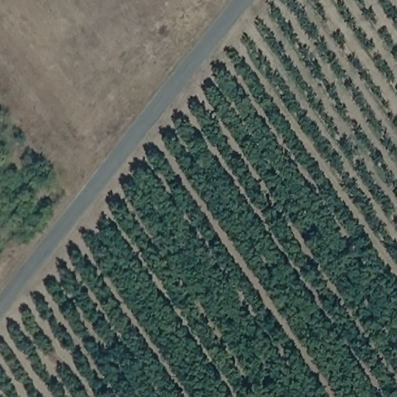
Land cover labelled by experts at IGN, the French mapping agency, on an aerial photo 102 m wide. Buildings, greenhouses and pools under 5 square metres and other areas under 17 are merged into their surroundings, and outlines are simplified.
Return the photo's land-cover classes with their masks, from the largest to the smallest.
<instances>
[{"label":"deciduous trees","instance_id":"1","mask_svg":"<svg viewBox=\"0 0 397 397\"><path fill-rule=\"evenodd\" d=\"M285 5L295 14L307 36L313 39L319 54L329 62L337 78L344 73L338 64L337 56L327 48L326 40L318 33L315 23L310 22L306 11L296 0H285ZM338 14L352 29L355 39L364 50L374 47V42L366 37L360 26H357L343 0H338ZM386 16L397 28V0H378ZM271 19L278 23L284 36L288 37L290 43L298 45L299 59L309 68L310 74L313 78L323 81L327 95L335 102V110L340 118L352 127L357 140L363 141L372 161L381 163V171H378V174L385 183L394 188L397 197V178L389 171L380 150L375 149L368 136L361 132L357 119L347 115L346 105L341 102L335 85L327 81L318 62L307 50V45L296 37L292 23L282 17L278 6L270 9ZM256 28L262 39L281 60L285 70L295 81L296 87L301 91H307V102L310 107L323 118L330 135H335L338 127L324 110L323 102L315 98L312 87L302 79L292 59L285 54L284 45L276 40L273 31L265 23H261ZM242 43L247 47L254 64L257 68L267 65L265 78L273 87H278L282 91V102L290 112L295 113L302 132L313 141L319 154L329 161L333 171H341L343 163L337 152L330 149L329 141L319 133L318 126L307 116L306 110L301 109L281 74L271 70L267 57L245 33L242 34ZM234 68L240 71L243 79L247 81L254 99L262 105V109L270 116L271 123L282 133L285 143L295 150L296 157L292 160L287 150L279 146L278 140L265 124V119L257 115L256 109L250 104V99L245 95L237 79L231 76L230 71H220L216 81L212 82V87L203 91L211 102L212 110L195 109L192 112L202 127L195 129L189 123V119H175L172 127L175 136L166 138L164 144L171 150L181 171L185 172L192 188L203 198L212 216L219 220L226 236L233 240L234 247L243 257V261L247 262L248 268L267 290L276 309L287 319L290 329L306 346L318 369L316 372L310 371L301 352L285 335L282 326L279 329L274 327L278 321L264 306L261 295L253 287L250 279L243 274L234 257L228 253L205 214L186 191L180 177L172 171L166 157L152 155L154 167L147 166L146 171H138L135 180L130 181L129 185L121 186L135 209L130 212L127 205L119 208L113 203L110 211L113 212L112 222L116 223V228L99 230L93 237H84L85 243L95 256V264L91 265L88 257L78 248L70 254L74 270H68V267L59 270L60 281H54L53 285L47 287L62 315L70 321L74 332L84 341L85 349L95 358L96 366L101 369L104 378H99L98 374L90 369L87 358L82 355L78 344L73 343L67 329L57 323L47 301L42 304L36 302L40 316L47 319L62 347L70 350L74 364L90 381L96 397H183L180 386L167 375L166 369L158 361L157 354L149 349L141 337L140 330L132 326L126 313L119 307L118 299L105 285V278L112 279L127 307L132 310L138 323L143 324L144 330L157 344L163 357L169 361L172 371L183 381L191 397H397V276L392 273L389 265L381 261L377 250L372 247L368 234L364 233L363 226L349 211L346 203L338 197L329 178L319 169L315 158L299 141L290 123L279 112L278 105L274 104L273 98L267 95L256 73L251 71L245 59L237 53L231 59ZM222 119L223 124L233 133L234 140L242 147L243 154H247L253 161L259 178L251 177L247 164L243 163L242 157L231 149L226 136L220 132L217 123ZM203 135L208 136L209 141L225 157L226 163L236 172L240 183L247 191L245 194H240L233 178L220 166L216 155L209 152ZM290 220L301 231L307 247L312 251L310 256L302 253L301 245L288 228L287 222ZM78 307L84 310L96 332L107 341V346H102L88 335L87 327L79 319L76 310ZM349 64L366 82L380 109L388 107L389 102L381 95L380 87L375 85L371 74L364 70L360 60L355 56ZM378 140L389 150L392 160L397 163V147L392 143L385 127L375 118L360 90L354 84L347 87ZM19 119L9 113L8 107L0 104V254L6 247L16 243H28L37 233L45 230L47 220L53 216L54 205L51 203L50 195L56 194L59 186V181L54 177V166L42 154H37L26 146L23 130L17 127ZM355 171L360 174L361 180L368 186L375 200L380 203L383 212L389 214L394 209L391 200L381 191L380 186L375 185L364 161L357 160ZM341 186L360 208L372 231L380 234L386 251L397 262V240L389 236L385 223L375 216L371 203L364 197L354 178H350L347 172L341 177ZM23 324L34 337H25L20 327H9L8 332L23 354L28 355L34 372L53 392V397H88L81 380L71 372V369L59 372L62 381L59 383L53 375L48 374L45 364H42L37 355V350L42 349L45 354H51L54 350L53 344L34 321L33 313L28 309V312H22ZM0 354L8 361L9 368L17 380L22 381L29 397H43L34 388L33 380L26 374L19 358L12 354L11 347L6 341L0 343ZM0 397H19L16 388L0 366Z\"/></svg>","mask_w":397,"mask_h":397},{"label":"herbaceous vegetation","instance_id":"2","mask_svg":"<svg viewBox=\"0 0 397 397\"><path fill-rule=\"evenodd\" d=\"M285 0H253L228 34L203 59L202 65L192 74L188 84L181 88L177 98L167 105L163 115L138 141L135 149L127 155L124 163L116 169L109 183L76 220L64 239L60 240L53 253L47 257V261L43 262L33 278L29 279L8 312L3 313L0 318V343L6 341L11 347L12 354L19 358L26 374L33 380L34 388L43 397H53V392L34 372L28 355L23 354L8 332L9 327H20L25 337H34L23 324L22 312H28V309L33 313L34 321L53 344L54 350L51 354H45L42 349L37 350V355L42 364H45L48 374L53 375L59 383L62 381L59 372L71 369V372L81 380L88 397H96L90 381L74 364L70 350L62 347L47 319L40 316L36 302L42 304L47 301L57 323L67 329L73 343L78 344L82 355L87 358L90 369L98 374L99 378H104L101 369L96 366L95 358L85 349L84 341L74 332L70 321L62 315L47 287L53 285L54 281H60L59 270L68 267V270H74L70 254L78 248L88 257L91 265L95 264V256L85 243L84 237H93L99 230L116 228V223L112 222L113 212L110 211L113 203L119 208L127 205L130 212L135 209L121 186L129 185L130 181L135 180L138 171H146L147 166L154 167L152 155L166 157L172 171L180 177L186 191L205 214L228 253L234 257L243 274L250 279L253 287L261 295L264 306L278 321L274 327L279 329L282 326L285 335L301 352L310 371L316 372L318 369L306 346L290 329L287 319L276 309L267 290L248 268L247 262L243 261V257L234 247L233 240L226 236L219 220L212 216L203 198L192 188L185 172L181 171L171 150L164 144L166 138L175 136L172 127L175 119H189V123L195 129L202 127L192 112L195 109L212 110L211 102L203 91L212 87V82L216 81L220 71H230L231 76L237 79L245 95L250 99V104L256 109L257 115L265 119V124L278 140L279 146L287 150L292 160L296 157L295 150L285 143L282 133L271 123L270 116L262 109V105L254 99L247 81L243 79L240 71L234 68L231 59L237 53L245 59L251 71L256 73L267 95L273 98L274 104L278 105L279 112L290 123L299 141L315 158L319 169L329 178L338 197L346 203L349 211L363 226L364 233L368 234L372 247L377 250L381 261L389 265L392 273L397 276V262L386 251L380 234L372 231L360 208L341 186V177L347 172L350 178H354L364 197L371 203L375 216L385 223L389 236L397 240V197L394 188L385 183L378 174V171H381V163L372 161L363 141L357 140L352 127L340 118L335 110V102L327 95L323 81L313 78L310 74L309 68L299 59L298 45L290 43L288 37L284 36L278 23L271 19L270 9L278 6L282 17L292 23L296 37L307 45V50L318 62L327 81L335 85L341 102L346 105L347 115L357 119L361 132L368 136L375 149L380 150L389 171L397 178V163L392 160L389 150L378 140L347 87L354 84L360 90L375 118L385 127L392 143L397 147V28L386 16L378 0H343L357 26H360L366 37L374 42V47L364 50L355 39L352 29L338 14V0H296L306 11L310 22L315 23L318 33L326 40L327 48L337 56L338 64L344 73L337 78L329 62L319 54L313 39L307 36L295 14L285 5ZM261 23H265L273 31L276 40L284 45L285 54L292 59L302 79L312 87L315 98L323 102L324 110L338 127L335 135H330L323 118L310 107L307 102V91H301L296 87L295 81L285 70L281 60L262 39L256 28ZM245 33L267 57L271 70L281 74L301 109L306 110L307 116L318 126L319 133L329 141L330 149L337 152L343 163L341 171H333L329 161L319 154L313 141L302 132L295 113L290 112L282 102V91L278 87H273L265 78L267 65L257 68L254 64L247 47L242 43V34ZM355 56L360 60L364 70L371 74L375 85L380 87L381 95L389 102L388 107L380 109L366 82L349 64ZM357 160L364 161L375 185L380 186L381 191L391 200L394 209L389 214L383 212L380 203L375 200L368 186L361 180L360 174L355 171ZM220 132L226 136L231 149L242 157L243 163L247 164L251 177L259 178L253 161L247 154H243L242 147L234 140L233 133L223 124L222 119L217 123ZM209 152L216 155L220 166L233 178L240 194H245L247 191L240 183L236 172L226 163L225 157L209 141L208 136L203 135ZM54 177L59 181V186L56 194L50 195L51 203L54 205L53 216L47 220L45 230L37 233L28 243H16L6 247L0 254V293L19 273L40 240L53 230L57 220L64 216V212L73 205L74 200L67 183L71 178L70 172L65 171L64 167L54 166ZM288 228L301 245L302 253L310 256L312 251L307 247L301 231L290 220L287 222ZM105 285L118 299L119 307L126 313L132 326L140 330L141 337L149 349L157 354L158 361L166 369L167 375L180 386L183 397H191L183 381L172 371L169 361L163 357L157 344L144 330L143 324L138 323L132 310L127 307L112 279L105 278ZM76 310L79 319L87 327L88 335L102 346H107V341L96 332L84 310L78 307ZM0 366L16 388L19 397H29L22 381L17 380L9 368L8 361L0 354Z\"/></svg>","mask_w":397,"mask_h":397},{"label":"agricultural land","instance_id":"3","mask_svg":"<svg viewBox=\"0 0 397 397\"><path fill-rule=\"evenodd\" d=\"M233 0H0V104L8 107L9 113L19 119L17 127L23 130L26 146L37 154H42L54 166L64 167L65 171L70 172L71 178L67 183L74 200L82 194L91 178L98 174L102 164L123 141L130 127L160 95L166 82L174 76L175 71L195 50L198 43L202 42L211 26L223 16V12Z\"/></svg>","mask_w":397,"mask_h":397},{"label":"impervious surface","instance_id":"4","mask_svg":"<svg viewBox=\"0 0 397 397\"><path fill-rule=\"evenodd\" d=\"M253 0H233L223 12V16L211 26L202 42L198 43L195 50L175 71L174 76L166 82L160 95L130 127L123 141L102 164L98 174L91 178L82 194L74 200L73 205L64 212V216L57 220L53 230L40 240L19 273L0 293V318L3 313L8 312L29 279L33 278L43 262L47 261V257L53 253L60 240L64 239L76 220L109 183L116 169L124 163L127 155L135 149L138 141L163 115L167 105L177 98L181 88L188 84L192 74L202 65L203 59L228 34Z\"/></svg>","mask_w":397,"mask_h":397}]
</instances>
